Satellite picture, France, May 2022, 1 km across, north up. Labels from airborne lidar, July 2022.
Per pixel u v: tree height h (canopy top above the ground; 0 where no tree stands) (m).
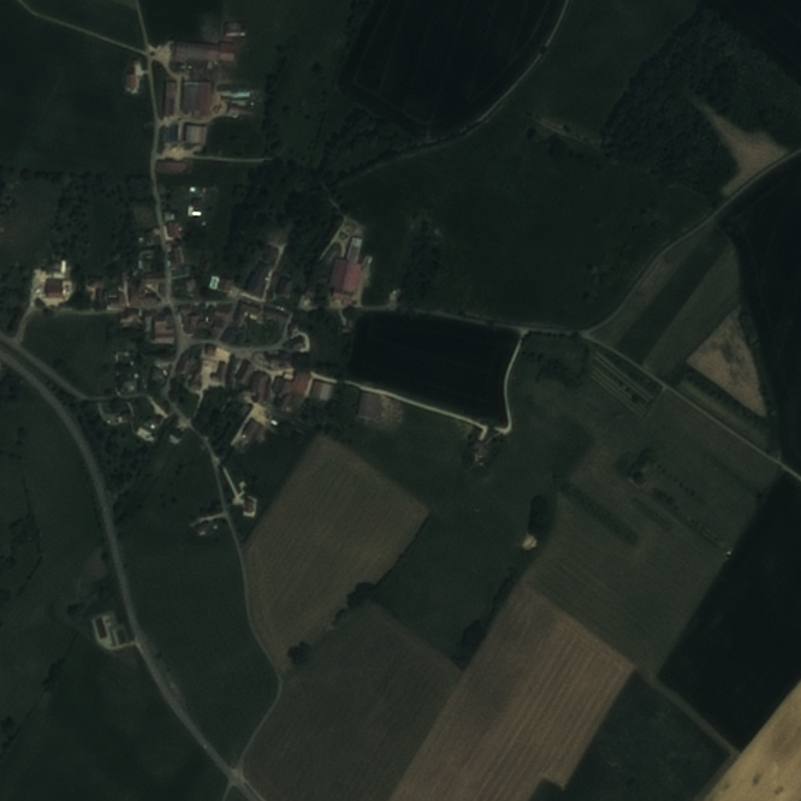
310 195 16
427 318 8
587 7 0
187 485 0
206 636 0
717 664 0
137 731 0
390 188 0
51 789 0
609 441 0
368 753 0
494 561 0
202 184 0
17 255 0
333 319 9
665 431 0
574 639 0
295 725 0
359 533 0
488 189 0
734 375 0
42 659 0
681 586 0
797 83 11
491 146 0
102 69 0
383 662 0
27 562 0
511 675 0
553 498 0
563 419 0
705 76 21
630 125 19
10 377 10
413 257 8
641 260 0
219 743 0
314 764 0
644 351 0
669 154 17
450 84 0
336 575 0
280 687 0
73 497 0
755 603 0
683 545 0
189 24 0
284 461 0
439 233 0
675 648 0
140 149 0
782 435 0
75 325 0
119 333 9
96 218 0
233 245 14
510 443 0
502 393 0
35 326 0
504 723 0
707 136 17
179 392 7
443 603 0
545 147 6
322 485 0
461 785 0
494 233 0
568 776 0
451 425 0
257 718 0
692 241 0
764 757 0
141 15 0
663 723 0
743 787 0
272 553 0
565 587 0
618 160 10
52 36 0
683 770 0
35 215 0
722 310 0
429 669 0
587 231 0
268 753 0
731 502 0
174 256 0
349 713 0
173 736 0
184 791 0
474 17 0
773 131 11
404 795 0
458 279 0
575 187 0
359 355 0
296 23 0
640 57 0
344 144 19
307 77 0
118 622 0
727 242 0
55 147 0
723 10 0
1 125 0
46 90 0
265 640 0
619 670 0
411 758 0
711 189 13
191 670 0
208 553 0
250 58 0
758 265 0
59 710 0
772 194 0
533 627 0
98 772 0
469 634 10
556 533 0
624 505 0
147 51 0
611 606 0
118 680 0
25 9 0
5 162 0
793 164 0
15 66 0
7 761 0
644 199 0
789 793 0
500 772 0
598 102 0
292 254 17
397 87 0
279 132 9
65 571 0
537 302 0
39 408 0
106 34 0
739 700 0
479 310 0
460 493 0
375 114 0
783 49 0
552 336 6
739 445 0
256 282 0
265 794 0
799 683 0
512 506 0
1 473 0
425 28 0
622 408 0
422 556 0
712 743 0
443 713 0
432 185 0
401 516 0
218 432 7
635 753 0
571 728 0
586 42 0
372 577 0
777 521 0
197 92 0
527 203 0
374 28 0
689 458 0
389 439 0
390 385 0
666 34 0
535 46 0
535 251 0
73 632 0
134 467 12
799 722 0
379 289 0
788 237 0
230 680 0
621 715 0
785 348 0
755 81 19
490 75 0
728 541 0
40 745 0
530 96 0
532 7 0
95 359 0
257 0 0
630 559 0
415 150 8
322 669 0
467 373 0
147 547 0
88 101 0
